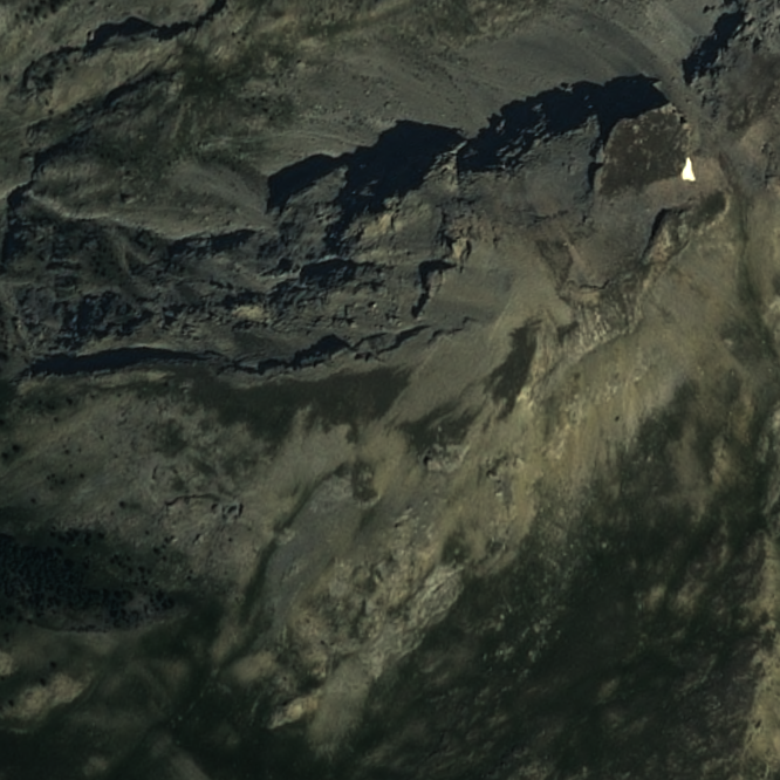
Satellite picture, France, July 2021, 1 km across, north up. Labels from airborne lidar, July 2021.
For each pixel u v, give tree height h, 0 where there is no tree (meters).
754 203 0
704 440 0
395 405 0
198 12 0
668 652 0
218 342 0
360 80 0
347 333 0
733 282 0
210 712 0
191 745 0
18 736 0
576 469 0
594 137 0
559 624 0
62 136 0
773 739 0
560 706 0
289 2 0
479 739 0
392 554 0
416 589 0
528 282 0
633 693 0
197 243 0
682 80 0
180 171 0
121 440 0
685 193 0
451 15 0
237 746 0
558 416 0
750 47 0
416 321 0
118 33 0
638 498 0
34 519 0
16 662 0
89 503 0
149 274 0
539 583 0
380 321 0
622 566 0
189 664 0
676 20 0
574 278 0
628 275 0
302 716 0
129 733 0
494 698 0
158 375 0
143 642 0
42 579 15
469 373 0
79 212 0
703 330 0
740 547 0
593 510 0
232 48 0
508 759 0
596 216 0
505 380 0
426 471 0
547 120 0
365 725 0
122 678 0
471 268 0
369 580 0
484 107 0
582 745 0
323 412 0
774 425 0
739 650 0
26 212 0
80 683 0
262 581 0
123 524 0
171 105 0
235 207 0
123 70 0
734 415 0
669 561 0
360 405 0
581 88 0
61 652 0
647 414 0
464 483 0
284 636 0
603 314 0
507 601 0
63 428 0
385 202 0
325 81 0
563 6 0
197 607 0
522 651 0
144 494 0
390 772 0
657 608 0
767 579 0
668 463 0
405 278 0
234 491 0
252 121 0
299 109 0
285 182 0
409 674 0
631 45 0
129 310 0
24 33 0
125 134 0
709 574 0
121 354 0
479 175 0
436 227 0
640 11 0
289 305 0
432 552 0
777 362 0
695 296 0
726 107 0
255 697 0
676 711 0
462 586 0
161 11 0
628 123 0
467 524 0
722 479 0
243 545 0
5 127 0
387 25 0
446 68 0
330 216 0
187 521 0
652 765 0
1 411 0
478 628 0
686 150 0
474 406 0
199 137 0
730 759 0
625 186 0
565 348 0
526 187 0
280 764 0
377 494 0
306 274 0
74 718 0
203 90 0
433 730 0
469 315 0
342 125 0
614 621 0
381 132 0
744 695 0
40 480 0
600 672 0
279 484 0
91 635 0
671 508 0
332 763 0
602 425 0
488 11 0
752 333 0
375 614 0
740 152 0
